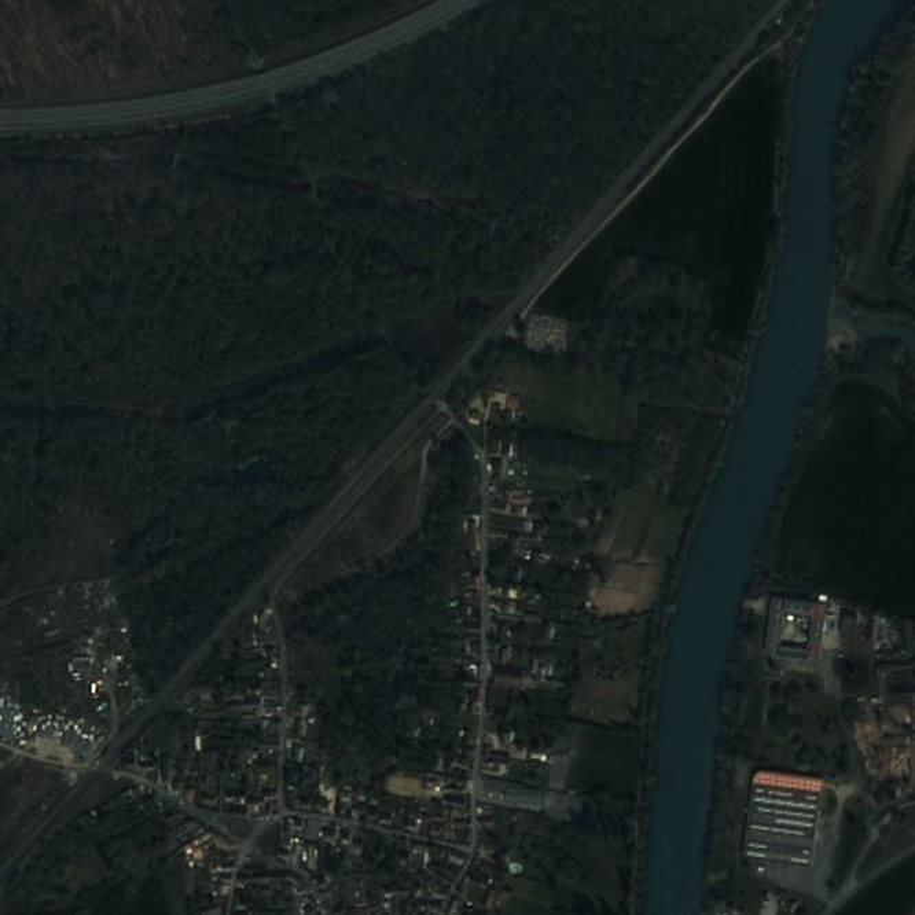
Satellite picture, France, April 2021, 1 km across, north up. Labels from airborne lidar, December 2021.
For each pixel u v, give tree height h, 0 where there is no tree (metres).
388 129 23
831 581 0
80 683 0
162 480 15
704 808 0
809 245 0
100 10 9
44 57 22
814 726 0
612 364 24
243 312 12
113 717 0
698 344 14
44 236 26
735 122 0
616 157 19
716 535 0
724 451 11
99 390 12
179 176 26
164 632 19
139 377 10
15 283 24
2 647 0
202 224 11
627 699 0
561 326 0
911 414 10
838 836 0
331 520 0
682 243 0
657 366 26
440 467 18
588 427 0
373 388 24
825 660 0
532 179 21
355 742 26
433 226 20
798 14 17
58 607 0
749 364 8
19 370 19
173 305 21
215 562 17
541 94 25
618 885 0
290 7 17
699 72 12
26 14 24
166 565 8
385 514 0
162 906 0
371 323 21
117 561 8
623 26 23
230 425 24
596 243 0
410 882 6
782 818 0
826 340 0
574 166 19
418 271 22
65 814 0
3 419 23
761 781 0
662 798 0
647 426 11
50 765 0
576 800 0
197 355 7
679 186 0
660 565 0
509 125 19
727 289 0
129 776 0
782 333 0
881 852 0
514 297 0
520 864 0
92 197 29
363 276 25
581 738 0
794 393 0
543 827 14
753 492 0
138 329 19
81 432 17
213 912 0
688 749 0
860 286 0
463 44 16
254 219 14
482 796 0
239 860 0
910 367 16
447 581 24
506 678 0
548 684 0
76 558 0
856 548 0
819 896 0
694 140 0
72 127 0
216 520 15
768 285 11
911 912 0
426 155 23
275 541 16
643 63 12
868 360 16
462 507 21
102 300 26
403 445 0
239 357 12
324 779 0
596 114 27
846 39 0
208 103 0
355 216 21
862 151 18
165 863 8
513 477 0
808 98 0
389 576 17
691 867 0
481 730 0
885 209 0
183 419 12
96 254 24
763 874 0
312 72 0
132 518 10
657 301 0
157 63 23
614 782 0
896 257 0
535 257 22
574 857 15
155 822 7
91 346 17
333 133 23
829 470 0
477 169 19
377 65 18
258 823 0
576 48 20
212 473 8
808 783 0
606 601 0
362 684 18
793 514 0
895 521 0
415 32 0
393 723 18
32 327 14
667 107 19
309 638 30
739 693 18
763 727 0
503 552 13
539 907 0
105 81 18
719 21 17
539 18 22
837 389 0
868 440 0
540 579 0
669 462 8
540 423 0
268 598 12
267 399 19
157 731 0
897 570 0
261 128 20
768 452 0
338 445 20
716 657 0
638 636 0
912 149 0
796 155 0
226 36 22
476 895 0
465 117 19
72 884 0
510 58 13
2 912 0
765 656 0
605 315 15
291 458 21
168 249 23
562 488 0
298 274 16
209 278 26
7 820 0
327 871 6
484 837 9
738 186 0
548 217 11
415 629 16
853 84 19
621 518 0
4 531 9
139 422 12
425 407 0
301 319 15
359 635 16
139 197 18
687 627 0
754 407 0
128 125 0
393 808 0
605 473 14
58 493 21
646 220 0
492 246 22
